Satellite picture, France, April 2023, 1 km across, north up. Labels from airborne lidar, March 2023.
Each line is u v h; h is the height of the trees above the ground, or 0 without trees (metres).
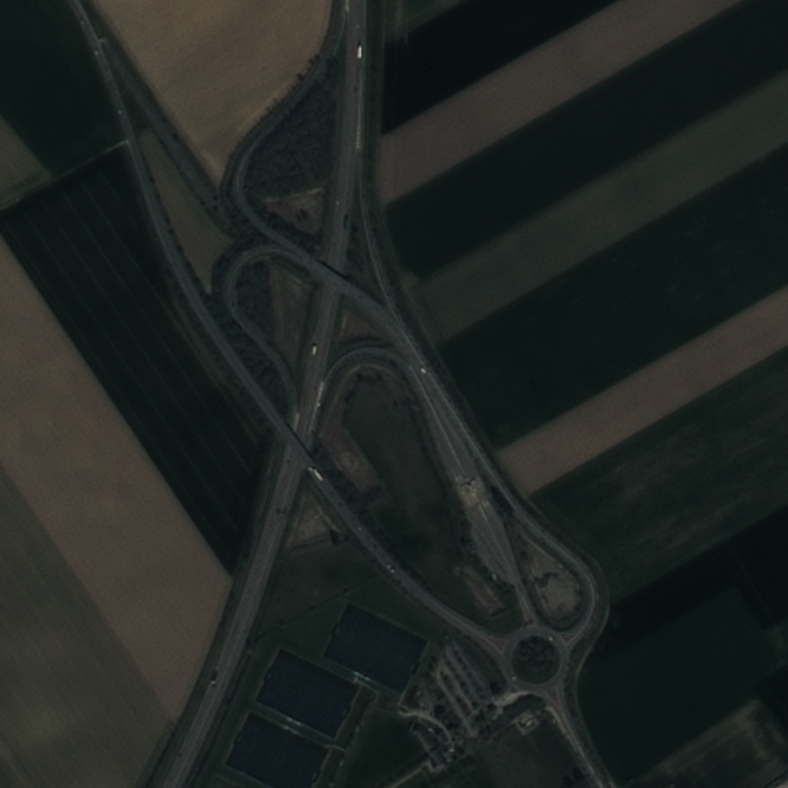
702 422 0
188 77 0
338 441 0
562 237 0
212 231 0
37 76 0
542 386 0
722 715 0
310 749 0
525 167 0
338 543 12
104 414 0
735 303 0
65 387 0
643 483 0
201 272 0
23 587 0
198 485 0
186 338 0
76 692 0
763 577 0
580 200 0
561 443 0
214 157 0
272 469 0
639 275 0
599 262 0
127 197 0
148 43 0
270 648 0
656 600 0
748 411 0
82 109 0
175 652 0
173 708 0
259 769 0
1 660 0
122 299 0
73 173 0
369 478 0
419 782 0
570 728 0
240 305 7
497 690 10
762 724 0
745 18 0
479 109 0
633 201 0
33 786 0
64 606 0
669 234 0
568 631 0
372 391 0
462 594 0
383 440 0
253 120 0
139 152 0
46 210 0
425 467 0
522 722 0
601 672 0
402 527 0
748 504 0
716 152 0
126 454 0
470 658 0
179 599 0
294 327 0
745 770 0
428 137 0
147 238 0
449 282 0
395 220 0
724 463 0
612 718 0
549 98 0
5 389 0
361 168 0
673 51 0
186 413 0
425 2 0
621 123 0
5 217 0
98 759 0
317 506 0
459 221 0
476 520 0
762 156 0
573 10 0
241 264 0
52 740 0
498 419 0
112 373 0
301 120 15
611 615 0
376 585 0
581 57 0
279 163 15
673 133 0
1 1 0
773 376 0
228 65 0
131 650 0
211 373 0
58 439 0
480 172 0
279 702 0
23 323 0
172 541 0
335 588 0
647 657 0
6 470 0
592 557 0
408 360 0
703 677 0
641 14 0
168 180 0
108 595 0
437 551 0
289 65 0
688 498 0
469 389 0
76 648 0
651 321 0
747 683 0
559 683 0
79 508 0
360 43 0
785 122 0
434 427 0
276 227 9
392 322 0
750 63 0
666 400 0
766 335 0
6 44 0
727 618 0
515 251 0
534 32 0
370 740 0
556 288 0
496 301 0
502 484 0
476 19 0
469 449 0
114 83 0
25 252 0
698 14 0
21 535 0
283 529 0
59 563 0
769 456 0
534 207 0
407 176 0
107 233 0
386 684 0
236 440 0
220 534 0
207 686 0
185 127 0
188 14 0
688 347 0
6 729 0
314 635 0
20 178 0
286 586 0
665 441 0
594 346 0
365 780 0
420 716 0
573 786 12
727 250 0
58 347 0
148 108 0
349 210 0
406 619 0
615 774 0
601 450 0
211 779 0
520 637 0
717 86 0
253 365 8
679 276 0
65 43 0
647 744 0
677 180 0
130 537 0
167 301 0
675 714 0
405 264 0
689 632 0
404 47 0
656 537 0
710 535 0
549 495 0
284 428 0
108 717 0
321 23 0
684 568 0
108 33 0
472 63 0
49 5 0
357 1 0
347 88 0
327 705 0
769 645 0
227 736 0
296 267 6
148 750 0
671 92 0
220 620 0
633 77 0
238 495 0
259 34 0
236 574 0
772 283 0
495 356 0
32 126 0
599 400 0
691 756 0
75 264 0
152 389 0
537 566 0
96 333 0
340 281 0
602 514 0
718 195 0
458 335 0
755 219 0
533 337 0
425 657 0
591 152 0
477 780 0
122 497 0
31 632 0
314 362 0
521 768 0
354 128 0
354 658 0
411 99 0
